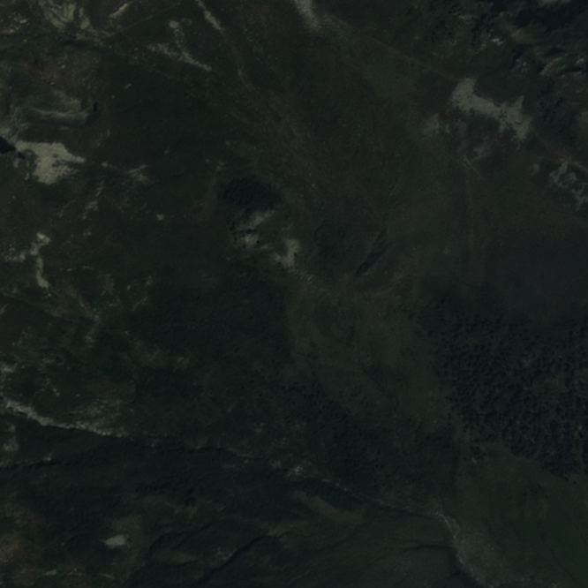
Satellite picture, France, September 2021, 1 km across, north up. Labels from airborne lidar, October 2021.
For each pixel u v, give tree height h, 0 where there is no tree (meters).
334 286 0
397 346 0
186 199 0
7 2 0
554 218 0
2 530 0
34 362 0
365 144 0
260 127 0
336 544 0
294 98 0
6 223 0
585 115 0
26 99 0
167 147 0
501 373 11
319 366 0
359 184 0
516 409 25
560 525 0
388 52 0
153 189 0
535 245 0
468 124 0
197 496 8
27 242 0
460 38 0
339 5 0
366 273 0
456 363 9
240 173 0
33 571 0
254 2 0
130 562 0
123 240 0
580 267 0
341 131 0
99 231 0
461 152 0
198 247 0
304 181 0
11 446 0
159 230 0
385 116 0
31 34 0
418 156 0
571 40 0
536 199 0
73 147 0
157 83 0
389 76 0
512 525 0
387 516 0
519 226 0
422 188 0
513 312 0
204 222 0
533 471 0
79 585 0
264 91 0
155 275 0
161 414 0
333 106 0
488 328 12
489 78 0
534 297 0
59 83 0
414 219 0
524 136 0
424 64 0
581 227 0
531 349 13
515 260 0
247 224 6
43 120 0
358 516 0
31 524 0
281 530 0
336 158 0
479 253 0
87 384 0
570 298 0
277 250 0
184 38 0
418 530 0
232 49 0
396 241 0
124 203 0
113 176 0
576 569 0
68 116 0
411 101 0
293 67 0
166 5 0
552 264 0
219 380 0
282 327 0
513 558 0
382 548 0
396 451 8
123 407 0
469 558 0
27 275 0
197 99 0
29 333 0
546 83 0
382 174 0
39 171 0
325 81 0
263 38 0
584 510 0
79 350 0
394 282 0
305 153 0
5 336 0
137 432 0
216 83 0
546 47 0
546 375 10
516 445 9
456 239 0
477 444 12
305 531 0
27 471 0
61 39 0
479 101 0
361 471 7
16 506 0
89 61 0
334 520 0
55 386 0
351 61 0
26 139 0
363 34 0
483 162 0
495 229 0
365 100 0
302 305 0
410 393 0
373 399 0
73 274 0
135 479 0
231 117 0
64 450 0
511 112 0
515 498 0
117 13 0
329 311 0
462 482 0
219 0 0
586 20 0
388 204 0
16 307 0
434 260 0
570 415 12
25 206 0
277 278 0
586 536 0
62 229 0
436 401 0
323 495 7
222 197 0
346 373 0
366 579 0
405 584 0
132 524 0
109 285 0
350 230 0
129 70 0
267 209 6
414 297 0
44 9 0
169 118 0
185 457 7
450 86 0
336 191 0
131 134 0
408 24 0
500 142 0
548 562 0
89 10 0
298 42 0
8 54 0
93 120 0
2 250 0
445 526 0
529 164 0
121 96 0
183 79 0
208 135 0
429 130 0
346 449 10
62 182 0
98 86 0
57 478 0
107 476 0
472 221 0
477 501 0
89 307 0
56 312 0
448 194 0
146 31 0
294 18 0
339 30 0
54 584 0
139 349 0
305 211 0
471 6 0
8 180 0
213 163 0
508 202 0
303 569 0
